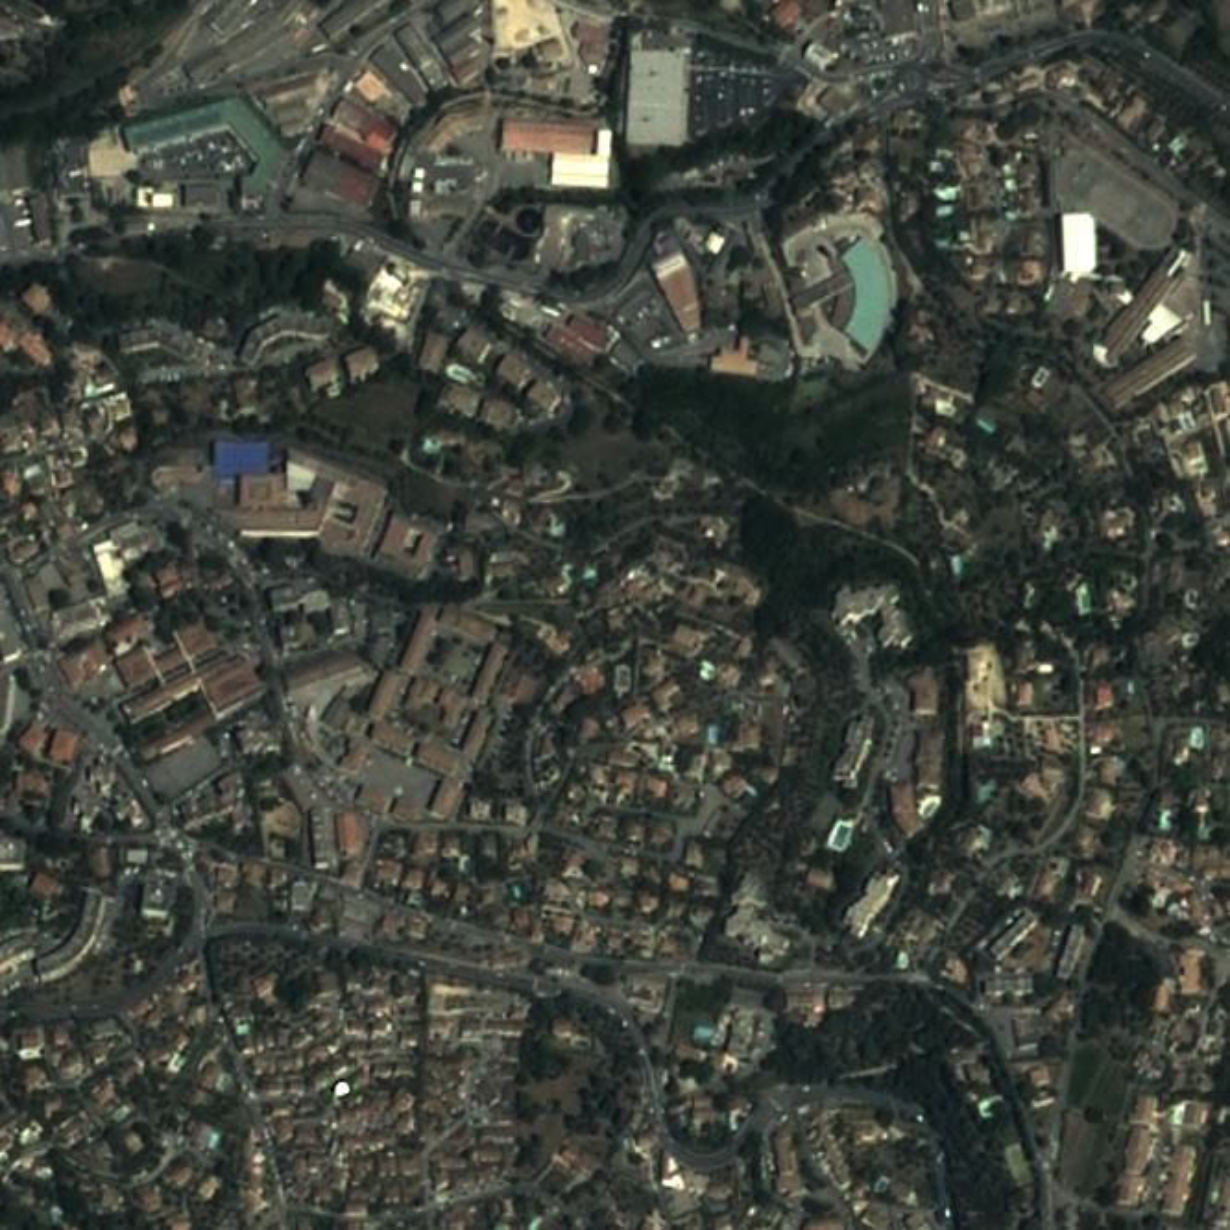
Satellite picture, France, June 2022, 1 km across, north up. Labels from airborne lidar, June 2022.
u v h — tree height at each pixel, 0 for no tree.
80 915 8
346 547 0
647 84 0
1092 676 7
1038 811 12
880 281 0
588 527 6
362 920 0
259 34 0
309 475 0
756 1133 8
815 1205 14
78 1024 10
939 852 9
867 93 0
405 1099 0
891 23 0
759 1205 12
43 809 8
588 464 0
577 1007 23
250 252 11
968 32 0
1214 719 9
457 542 10
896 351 16
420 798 0
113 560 0
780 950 0
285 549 17
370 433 0
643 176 9
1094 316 8
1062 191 0
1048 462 6
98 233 10
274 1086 0
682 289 0
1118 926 10
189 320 8
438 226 0
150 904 0
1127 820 6
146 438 11
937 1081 10
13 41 7
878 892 0
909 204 0
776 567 6
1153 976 15
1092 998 10
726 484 6
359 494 0
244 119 0
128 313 11
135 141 0
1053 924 18
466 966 0
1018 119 13
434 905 6
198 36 0
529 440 10
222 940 14
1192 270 0
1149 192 0
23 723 5
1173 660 6
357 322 12
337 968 9
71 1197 19
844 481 8
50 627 0
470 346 0
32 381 11
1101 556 10
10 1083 6
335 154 7
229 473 0
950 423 7
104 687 0
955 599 8
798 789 9
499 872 6
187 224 0
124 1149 6
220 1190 7
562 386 0
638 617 6
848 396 6
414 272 0
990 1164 18
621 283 0
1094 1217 5
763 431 7
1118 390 0
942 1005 6
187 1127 6
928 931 0
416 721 5
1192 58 10
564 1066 10
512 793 13
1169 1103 6
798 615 6
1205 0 9
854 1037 8
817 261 0
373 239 0
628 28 16
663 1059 11
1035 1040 0
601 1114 17
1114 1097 0
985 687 0
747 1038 0
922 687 0
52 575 0
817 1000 0
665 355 0
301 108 0
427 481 0
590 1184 9
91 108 7
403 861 6
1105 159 0
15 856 0
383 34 0
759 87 0
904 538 6
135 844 8
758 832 6
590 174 0
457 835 6
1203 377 10
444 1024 0
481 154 0
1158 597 6
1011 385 9
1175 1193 0
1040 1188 10
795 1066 9
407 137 12
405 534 0
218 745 6
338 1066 0
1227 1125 7
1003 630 9
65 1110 6
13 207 0
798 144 13
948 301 6
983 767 7
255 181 0
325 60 0
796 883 6
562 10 6
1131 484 10
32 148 0
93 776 0
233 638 7
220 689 0
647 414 14
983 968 12
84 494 0
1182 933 10
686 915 6
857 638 0
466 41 0
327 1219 6
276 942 7
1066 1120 6
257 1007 9
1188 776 11
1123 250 11
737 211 0
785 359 0
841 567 11
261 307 6
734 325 8
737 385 6
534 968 9
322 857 0
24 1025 13
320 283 12
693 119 0
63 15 11
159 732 10
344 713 0
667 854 7
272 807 7
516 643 6
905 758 0
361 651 9
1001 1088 15
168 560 8
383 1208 8
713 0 10
